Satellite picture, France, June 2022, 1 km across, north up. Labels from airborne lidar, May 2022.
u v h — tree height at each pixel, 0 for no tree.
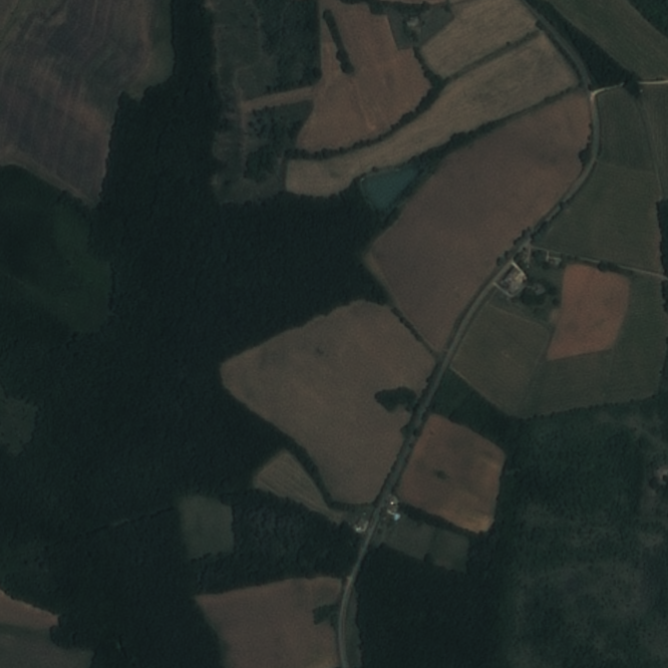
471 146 0
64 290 9
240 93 0
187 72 15
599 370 0
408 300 0
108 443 26
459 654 12
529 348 0
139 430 19
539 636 10
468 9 0
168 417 14
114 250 16
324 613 7
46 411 16
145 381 22
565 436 8
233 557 12
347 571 14
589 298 0
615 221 0
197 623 17
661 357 0
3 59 0
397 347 0
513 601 6
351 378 0
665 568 8
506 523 13
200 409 10
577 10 0
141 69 0
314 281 18
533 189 0
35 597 12
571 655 6
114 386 25
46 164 0
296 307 13
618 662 9
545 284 7
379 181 0
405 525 0
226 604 0
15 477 12
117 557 15
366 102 0
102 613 17
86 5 0
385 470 0
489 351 0
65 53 0
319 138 0
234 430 13
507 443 7
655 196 0
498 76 0
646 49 0
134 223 20
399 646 12
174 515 17
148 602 12
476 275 0
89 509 19
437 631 11
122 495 15
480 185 0
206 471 21
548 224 14
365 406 0
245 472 20
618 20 0
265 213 20
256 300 17
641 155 0
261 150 9
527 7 0
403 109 0
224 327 18
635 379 0
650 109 0
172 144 17
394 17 0
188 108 23
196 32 16
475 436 0
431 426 0
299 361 0
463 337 0
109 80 0
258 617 0
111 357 17
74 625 17
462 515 0
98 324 0
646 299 0
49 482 15
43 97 0
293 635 0
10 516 19
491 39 0
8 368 11
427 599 18
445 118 0
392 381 0
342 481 0
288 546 12
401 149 0
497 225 0
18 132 0
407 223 0
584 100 0
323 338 0
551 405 0
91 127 0
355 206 12
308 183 0
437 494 0
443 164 0
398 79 0
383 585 16
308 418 0
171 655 12
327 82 0
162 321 24
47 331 9
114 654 9
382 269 0
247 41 0
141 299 24
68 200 17
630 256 0
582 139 0
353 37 0
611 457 6
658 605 8
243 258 18
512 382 0
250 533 13
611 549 9
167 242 26
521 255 9
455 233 0
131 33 0
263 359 0
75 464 24
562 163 0
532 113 0
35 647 0
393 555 17
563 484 7
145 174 10
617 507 7
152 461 18
